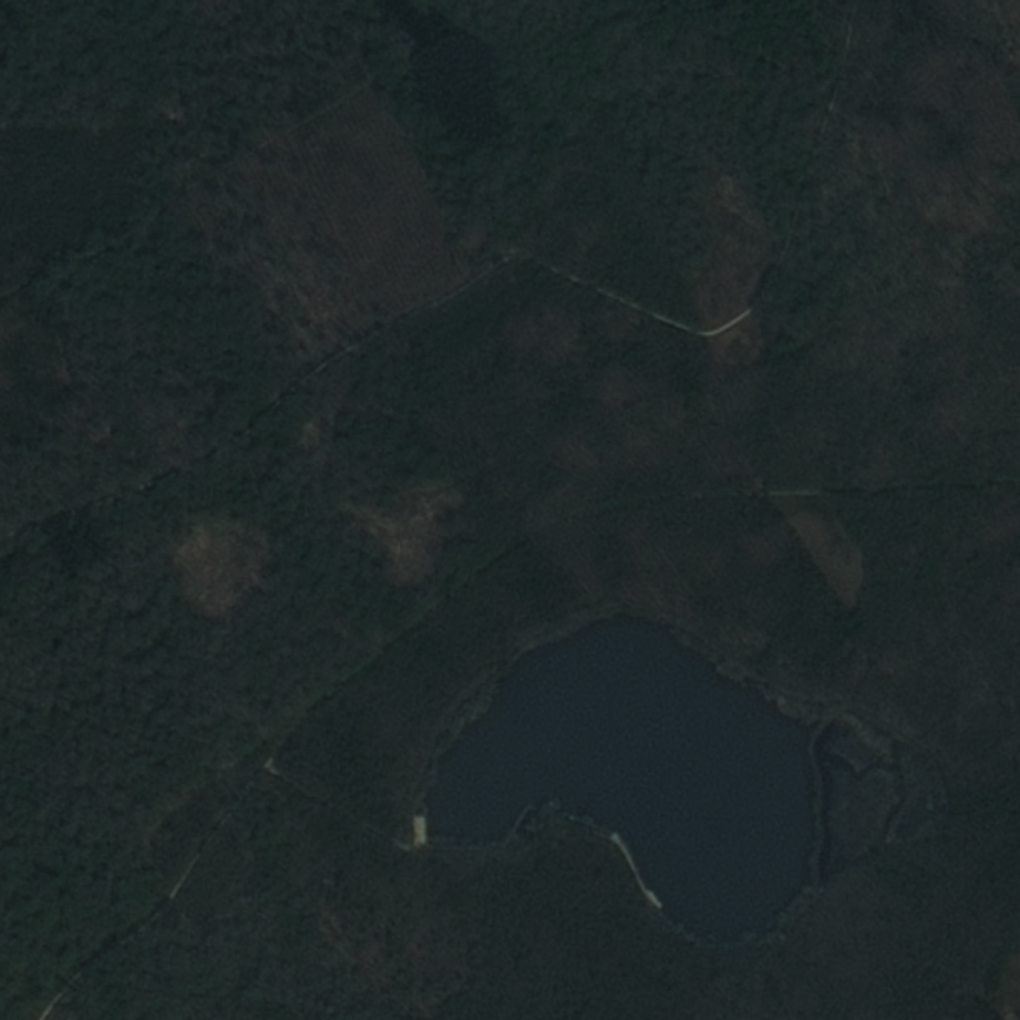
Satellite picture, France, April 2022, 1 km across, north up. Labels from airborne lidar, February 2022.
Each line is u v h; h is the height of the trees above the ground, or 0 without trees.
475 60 31
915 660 19
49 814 24
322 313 0
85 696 28
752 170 22
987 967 15
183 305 21
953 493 16
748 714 0
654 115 28
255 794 14
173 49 26
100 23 27
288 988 20
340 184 0
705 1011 12
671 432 15
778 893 0
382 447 27
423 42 24
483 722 0
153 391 25
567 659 0
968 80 23
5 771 24
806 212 29
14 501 25
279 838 23
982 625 14
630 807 0
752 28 25
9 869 22
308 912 20
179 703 29
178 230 24
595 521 14
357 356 26
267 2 25
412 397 21
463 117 27
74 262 25
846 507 19
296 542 23
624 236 17
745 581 11
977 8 19
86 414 29
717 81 27
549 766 0
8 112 27
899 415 18
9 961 23
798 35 25
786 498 0
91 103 22
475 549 22
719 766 0
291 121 24
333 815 11
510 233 19
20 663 25
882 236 28
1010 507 20
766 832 0
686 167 25
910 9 22
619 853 11
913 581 19
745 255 0
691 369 17
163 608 24
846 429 15
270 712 20
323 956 20
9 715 28
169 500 24
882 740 0
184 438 28
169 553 22
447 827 0
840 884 15
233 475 22
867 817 0
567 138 24
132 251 24
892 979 15
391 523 0
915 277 24
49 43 24
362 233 0
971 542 18
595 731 0
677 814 0
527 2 27
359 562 26
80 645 26
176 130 0
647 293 16
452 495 0
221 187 0
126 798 25
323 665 27
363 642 25
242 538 0
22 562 20
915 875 16
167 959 25
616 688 0
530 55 22
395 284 0
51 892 28
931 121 22
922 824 9
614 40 22
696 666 0
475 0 25
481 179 24
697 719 0
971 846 19
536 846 12
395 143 0
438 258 0
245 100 23
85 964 22
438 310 12
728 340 0
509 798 0
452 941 11
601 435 18
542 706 0
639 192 20
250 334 25
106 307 28
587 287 10
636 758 0
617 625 0
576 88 28
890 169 20
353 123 0
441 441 17
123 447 15
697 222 21
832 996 15
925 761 10
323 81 29
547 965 10
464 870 17
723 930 0
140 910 28
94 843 28
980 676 11
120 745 28
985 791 17
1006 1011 0
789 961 17
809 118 26
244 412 29
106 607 25
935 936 13
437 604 21
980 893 14
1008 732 14
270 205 26
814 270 26
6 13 26
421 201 0
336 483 25
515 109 29
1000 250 18
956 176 0
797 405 15
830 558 0
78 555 24
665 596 12
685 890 0
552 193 25
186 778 24
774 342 24
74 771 22
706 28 21
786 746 0
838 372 18
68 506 22
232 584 0
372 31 26
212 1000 25
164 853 9
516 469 15
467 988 16
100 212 6
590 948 12
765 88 27
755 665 13
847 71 15
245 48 27
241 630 26
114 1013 26
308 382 19
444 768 0
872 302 26
